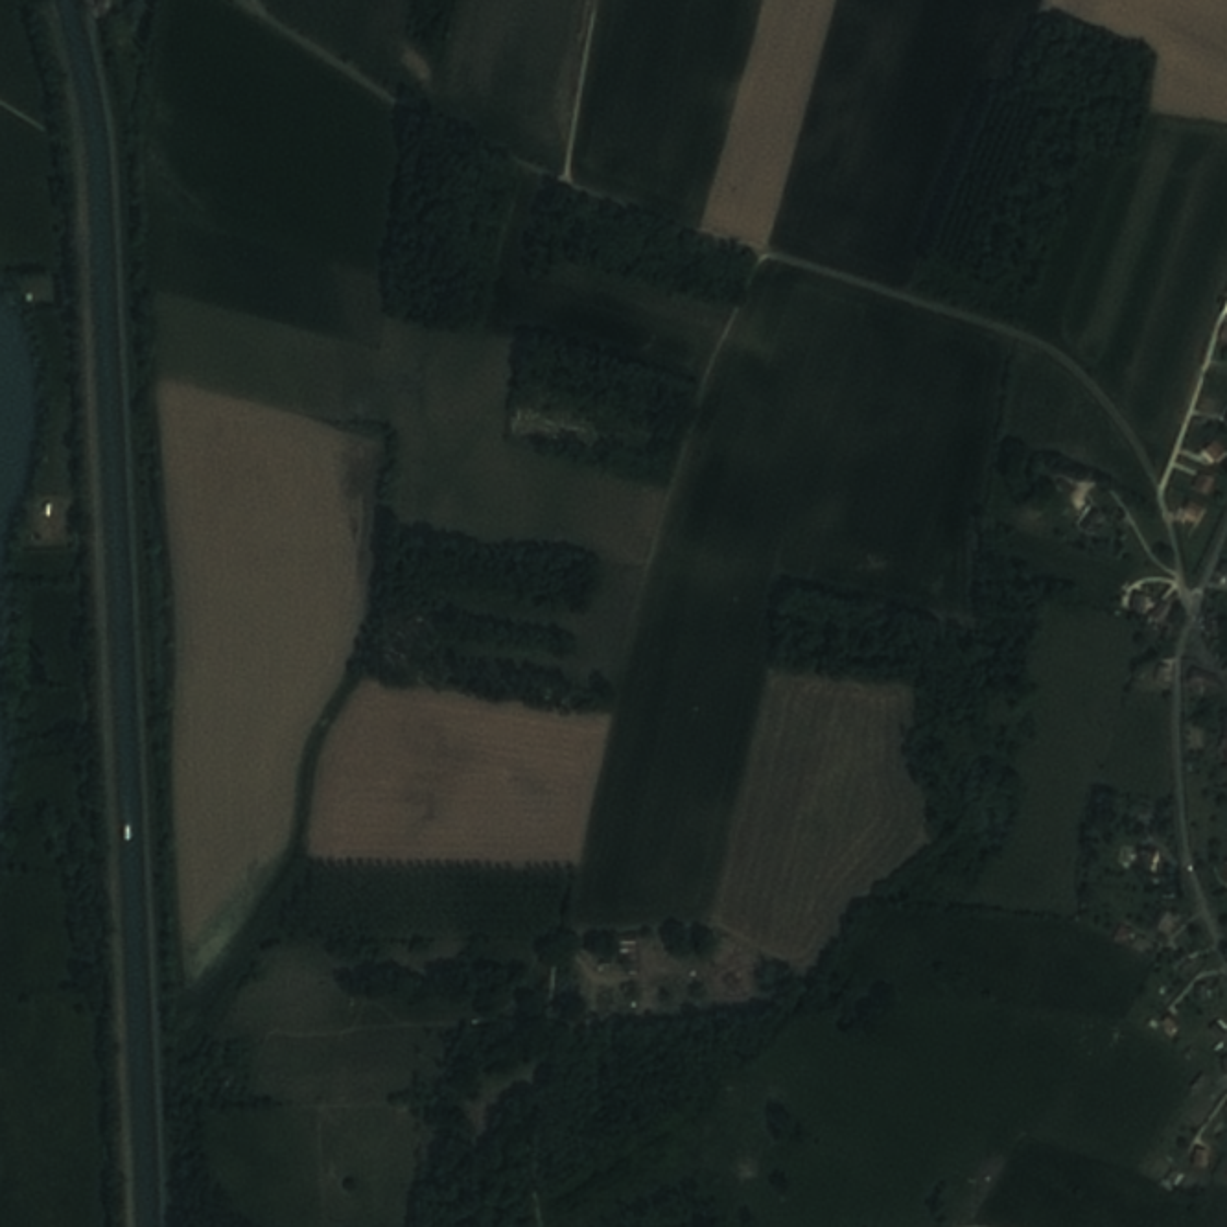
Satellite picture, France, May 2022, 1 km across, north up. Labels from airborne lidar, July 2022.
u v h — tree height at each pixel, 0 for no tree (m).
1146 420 0
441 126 26
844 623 22
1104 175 0
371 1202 0
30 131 0
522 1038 23
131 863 0
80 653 20
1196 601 0
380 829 0
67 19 0
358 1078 0
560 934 15
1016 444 14
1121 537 10
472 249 26
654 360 0
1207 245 0
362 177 0
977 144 22
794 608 26
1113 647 0
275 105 0
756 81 0
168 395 0
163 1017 13
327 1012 0
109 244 0
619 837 0
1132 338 0
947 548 0
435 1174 16
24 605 11
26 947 0
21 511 11
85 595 13
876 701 0
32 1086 0
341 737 0
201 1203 34
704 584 0
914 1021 0
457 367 0
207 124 0
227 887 0
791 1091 0
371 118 0
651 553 0
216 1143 0
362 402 0
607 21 0
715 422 0
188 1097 8
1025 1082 0
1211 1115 0
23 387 0
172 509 0
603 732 0
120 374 0
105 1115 11
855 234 0
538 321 0
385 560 27
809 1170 0
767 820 0
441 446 0
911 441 0
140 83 6
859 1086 0
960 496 0
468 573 24
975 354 0
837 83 0
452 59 0
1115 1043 0
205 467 0
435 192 23
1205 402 0
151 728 12
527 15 0
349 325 0
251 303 0
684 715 0
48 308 13
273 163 0
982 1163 0
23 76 0
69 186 19
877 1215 0
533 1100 23
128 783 0
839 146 0
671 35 0
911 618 23
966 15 0
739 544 0
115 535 0
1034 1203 0
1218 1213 0
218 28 0
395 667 33
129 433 0
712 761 0
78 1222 0
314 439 0
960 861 7
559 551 16
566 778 0
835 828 0
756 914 0
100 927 19
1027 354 0
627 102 0
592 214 20
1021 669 18
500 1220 25
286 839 0
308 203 0
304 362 0
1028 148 26
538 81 0
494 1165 21
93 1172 0
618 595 0
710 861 0
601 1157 24
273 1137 0
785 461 0
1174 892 12
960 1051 0
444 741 0
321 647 0
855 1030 21
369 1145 0
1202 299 0
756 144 0
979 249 20
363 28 0
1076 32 18
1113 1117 0
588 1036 15
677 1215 18
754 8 0
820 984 20
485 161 29
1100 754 0
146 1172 0
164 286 0
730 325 0
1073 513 0
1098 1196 0
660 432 22
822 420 0
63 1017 0
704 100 0
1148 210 0
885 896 7
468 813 0
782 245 0
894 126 0
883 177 0
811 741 0
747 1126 0
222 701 0
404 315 14
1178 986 6
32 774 0
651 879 0
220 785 0
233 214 0
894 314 0
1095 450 0
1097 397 0
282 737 0
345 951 18
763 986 14
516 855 0
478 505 0
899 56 0
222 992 0
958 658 21
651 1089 25
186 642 0
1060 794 0
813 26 0
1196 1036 0
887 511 0
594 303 0
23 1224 0
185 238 0
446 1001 21
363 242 0
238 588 0
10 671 17
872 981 0
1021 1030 0
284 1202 0
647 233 22
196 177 0
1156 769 0
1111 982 0
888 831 0
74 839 20
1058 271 0
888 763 0
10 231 0
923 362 0
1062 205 15
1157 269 0
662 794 0
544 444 19
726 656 0
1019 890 0
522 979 19
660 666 0
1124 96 21
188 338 0
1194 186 0
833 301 0
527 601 19
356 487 0
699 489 0
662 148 0
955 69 0
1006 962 0
